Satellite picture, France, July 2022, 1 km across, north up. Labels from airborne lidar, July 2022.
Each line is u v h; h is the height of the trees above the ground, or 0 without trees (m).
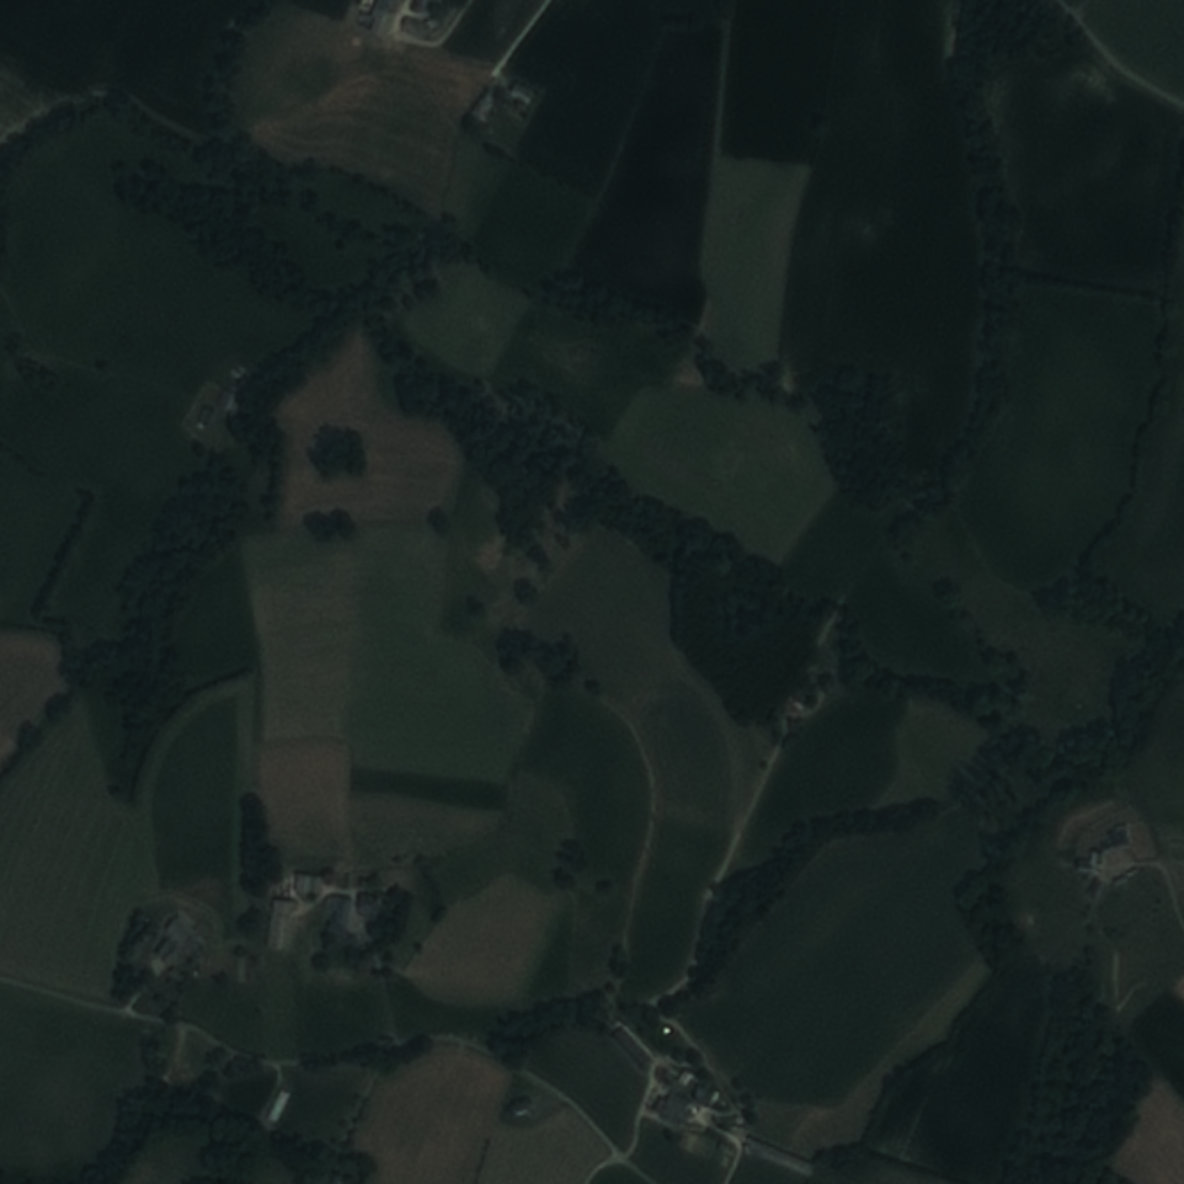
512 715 0
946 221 0
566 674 25
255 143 16
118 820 0
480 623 14
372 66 0
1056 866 0
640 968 0
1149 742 25
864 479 18
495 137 0
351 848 0
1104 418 0
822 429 7
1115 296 10
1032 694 14
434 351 0
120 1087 0
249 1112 0
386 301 24
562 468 22
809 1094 0
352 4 0
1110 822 0
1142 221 0
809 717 0
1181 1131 0
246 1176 23
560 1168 0
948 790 0
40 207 0
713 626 25
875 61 0
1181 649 25
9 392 0
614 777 0
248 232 23
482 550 0
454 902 0
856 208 0
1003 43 25
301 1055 0
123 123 23
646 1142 0
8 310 0
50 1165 0
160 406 0
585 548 0
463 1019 0
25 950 0
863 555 0
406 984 0
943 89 0
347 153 0
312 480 0
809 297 0
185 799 0
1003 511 0
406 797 0
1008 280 19
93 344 0
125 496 0
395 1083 0
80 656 13
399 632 0
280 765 0
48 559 0
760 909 12
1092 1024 19
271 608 0
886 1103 7
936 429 0
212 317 0
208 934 0
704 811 0
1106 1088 24
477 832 0
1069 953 0
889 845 0
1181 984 0
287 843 0
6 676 0
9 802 0
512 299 0
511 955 0
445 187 0
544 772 0
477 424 31
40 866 0
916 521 17
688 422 0
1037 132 0
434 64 0
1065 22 11
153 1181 0
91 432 0
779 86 0
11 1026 0
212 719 0
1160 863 0
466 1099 0
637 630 0
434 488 0
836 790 0
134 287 0
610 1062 0
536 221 0
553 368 0
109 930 0
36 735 11
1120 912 0
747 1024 0
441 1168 0
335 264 0
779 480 0
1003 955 13
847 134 0
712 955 23
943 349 0
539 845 0
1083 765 19
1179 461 0
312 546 0
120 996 13
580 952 0
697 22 14
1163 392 10
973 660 0
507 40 0
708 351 20
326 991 0
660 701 0
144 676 28
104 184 0
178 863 0
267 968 0
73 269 0
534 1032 19
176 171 0
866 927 0
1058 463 0
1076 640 0
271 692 0
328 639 0
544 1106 0
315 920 0
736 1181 0
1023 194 0
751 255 0
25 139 15
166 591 27
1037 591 0
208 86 15
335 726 0
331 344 22
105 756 0
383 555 0
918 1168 7
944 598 22
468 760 0
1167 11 0
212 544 23
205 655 0
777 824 0
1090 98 0
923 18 0
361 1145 0
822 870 0
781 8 0
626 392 0
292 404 0
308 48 0
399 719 0
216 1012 0
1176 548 0
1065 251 0
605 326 14
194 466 0
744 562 14
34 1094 0
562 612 0
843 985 0
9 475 0
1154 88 0
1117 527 13
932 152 0
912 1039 0
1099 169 0
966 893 16
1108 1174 26
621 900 0
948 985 0
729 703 13
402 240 22
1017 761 30
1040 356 0
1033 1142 15
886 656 0
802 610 17
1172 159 0
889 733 0
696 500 0
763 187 0
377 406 0
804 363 0
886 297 0
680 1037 0
